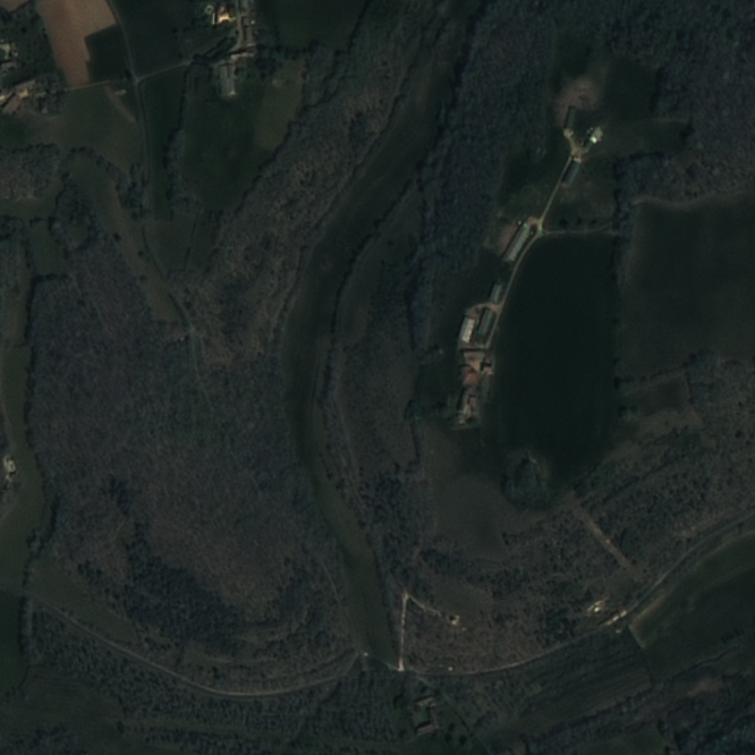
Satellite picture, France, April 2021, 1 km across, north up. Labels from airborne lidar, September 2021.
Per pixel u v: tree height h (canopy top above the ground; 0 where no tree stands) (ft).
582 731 64
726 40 61
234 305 42
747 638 34
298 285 36
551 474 0
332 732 51
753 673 0
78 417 50
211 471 52
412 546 22
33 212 0
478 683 39
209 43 0
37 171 52
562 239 0
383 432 0
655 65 51
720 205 0
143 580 43
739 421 22
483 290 0
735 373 69
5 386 0
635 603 60
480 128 60
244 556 51
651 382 32
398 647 47
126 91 0
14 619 0
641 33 89
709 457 46
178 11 0
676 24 78
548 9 56
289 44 0
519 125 66
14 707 0
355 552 0
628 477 25
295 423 0
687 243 0
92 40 0
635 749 0
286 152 55
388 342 0
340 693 36
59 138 0
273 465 90
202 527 41
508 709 46
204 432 63
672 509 30
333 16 0
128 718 41
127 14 0
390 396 0
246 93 0
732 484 48
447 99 0
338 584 45
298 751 43
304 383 0
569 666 31
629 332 0
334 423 48
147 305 50
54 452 55
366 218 0
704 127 62
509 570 34
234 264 55
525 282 0
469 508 0
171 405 66
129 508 44
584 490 48
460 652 27
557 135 0
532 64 57
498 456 0
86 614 0
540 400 0
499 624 36
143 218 45
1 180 37
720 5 60
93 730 0
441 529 0
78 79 0
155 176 0
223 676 28
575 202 0
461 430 0
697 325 0
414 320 63
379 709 25
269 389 67
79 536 22
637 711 21
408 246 0
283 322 43
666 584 26
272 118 0
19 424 0
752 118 79
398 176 0
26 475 0
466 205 60
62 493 66
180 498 39
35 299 67
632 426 0
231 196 0
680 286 0
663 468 37
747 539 0
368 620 0
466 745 52
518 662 51
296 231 23
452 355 0
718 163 62
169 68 0
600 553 19
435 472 0
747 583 0
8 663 0
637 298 0
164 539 40
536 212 0
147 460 38
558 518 30
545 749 69
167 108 0
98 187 0
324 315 0
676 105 73
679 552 40
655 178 82
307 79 59
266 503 60
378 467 0
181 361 55
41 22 48
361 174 50
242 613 32
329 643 30
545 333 0
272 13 0
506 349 0
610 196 0
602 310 0
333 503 0
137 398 63
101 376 53
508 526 0
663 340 0
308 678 48
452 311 0
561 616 35
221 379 52
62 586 0
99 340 52
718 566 0
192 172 0
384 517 28
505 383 0
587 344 0
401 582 35
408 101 38
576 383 0
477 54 48
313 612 36
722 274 0
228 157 29
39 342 69
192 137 0
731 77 60
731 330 0
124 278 46
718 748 56
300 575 42
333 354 26
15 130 0
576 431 0
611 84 0
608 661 20
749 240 0
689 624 0
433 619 35
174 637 28
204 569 37
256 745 34
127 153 0
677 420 0
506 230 0
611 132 0
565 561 39
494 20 59
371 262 0
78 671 33
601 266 0
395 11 59
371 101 39
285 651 28
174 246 0
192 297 31
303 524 74
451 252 65
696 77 71
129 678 24
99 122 0
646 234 0
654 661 0
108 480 27
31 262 32
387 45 35
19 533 0
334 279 0
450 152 40
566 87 0
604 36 75
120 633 0
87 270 41
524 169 0
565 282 0
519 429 0
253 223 56
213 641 38
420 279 49
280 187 58
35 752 47
